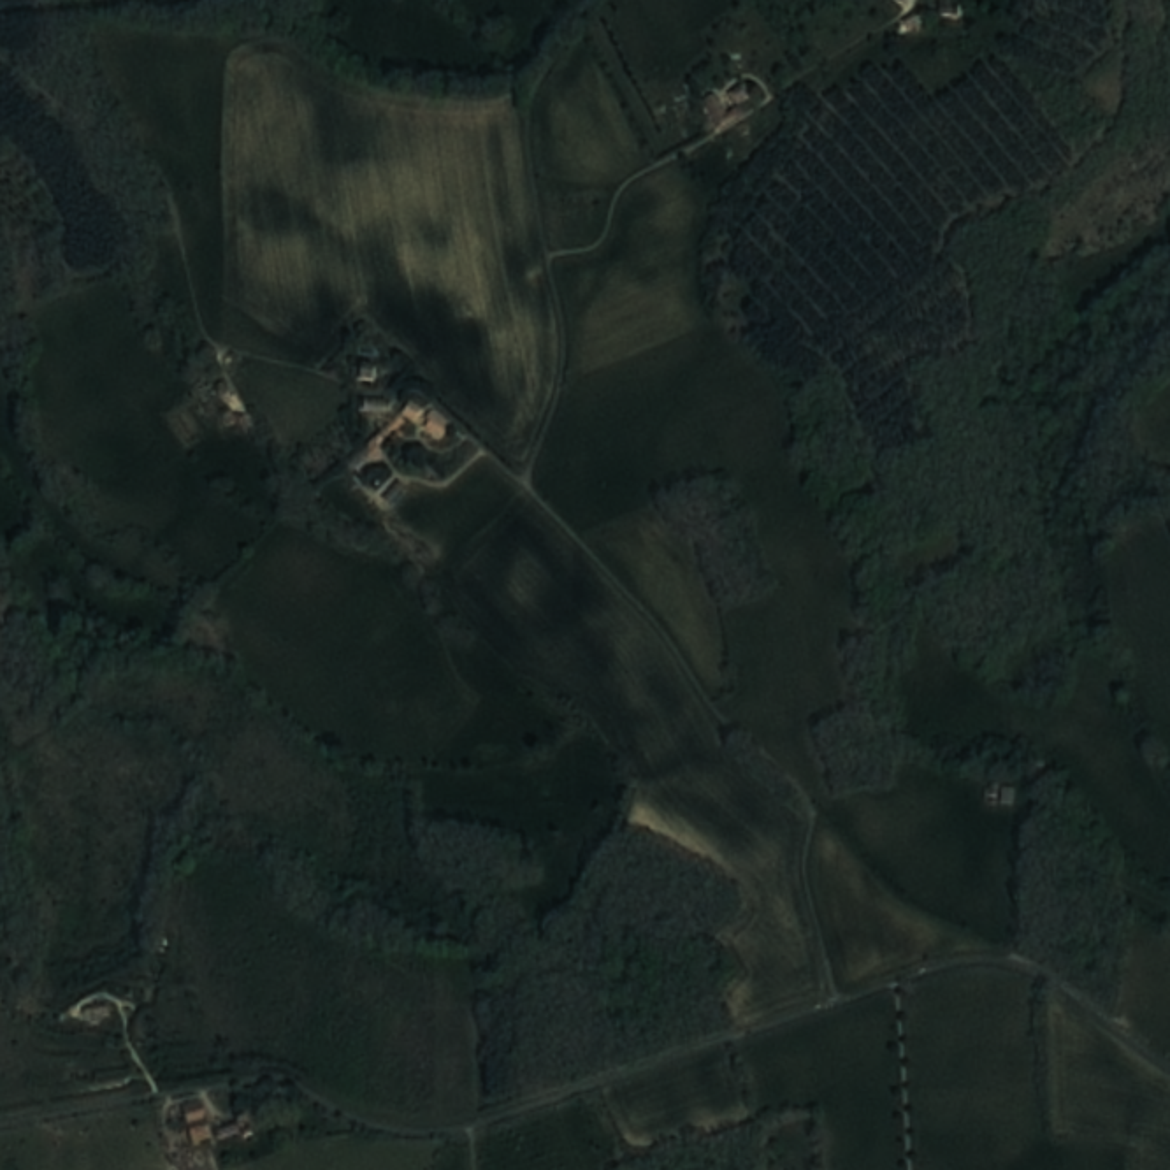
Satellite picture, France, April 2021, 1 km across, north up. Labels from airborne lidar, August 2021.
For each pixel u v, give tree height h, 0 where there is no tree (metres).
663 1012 23
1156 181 14
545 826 0
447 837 19
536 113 0
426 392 13
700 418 0
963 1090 0
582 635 0
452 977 0
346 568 0
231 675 15
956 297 10
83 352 0
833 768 19
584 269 0
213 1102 0
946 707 0
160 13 14
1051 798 21
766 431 0
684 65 0
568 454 0
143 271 14
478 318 0
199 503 0
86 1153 0
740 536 16
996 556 23
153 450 0
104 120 15
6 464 11
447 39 0
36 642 20
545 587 0
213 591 15
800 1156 0
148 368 0
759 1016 0
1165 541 0
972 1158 0
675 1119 0
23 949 19
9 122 17
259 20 21
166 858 13
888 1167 0
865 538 20
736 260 16
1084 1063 0
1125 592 0
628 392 0
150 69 0
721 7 0
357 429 8
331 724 0
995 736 7
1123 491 7
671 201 0
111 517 0
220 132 0
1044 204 13
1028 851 17
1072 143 11
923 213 11
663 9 0
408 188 0
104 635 19
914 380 17
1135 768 0
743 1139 16
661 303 0
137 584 10
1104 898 23
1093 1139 0
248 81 0
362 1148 0
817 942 0
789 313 14
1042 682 15
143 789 0
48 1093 0
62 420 0
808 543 0
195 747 7
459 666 0
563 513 0
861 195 13
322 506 10
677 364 0
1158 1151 0
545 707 0
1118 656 23
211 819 10
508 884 17
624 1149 8
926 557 0
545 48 19
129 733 7
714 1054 0
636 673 0
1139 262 16
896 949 0
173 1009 0
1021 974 0
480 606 0
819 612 0
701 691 0
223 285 0
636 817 0
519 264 0
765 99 12
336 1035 6
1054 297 29
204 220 0
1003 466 21
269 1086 13
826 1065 0
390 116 0
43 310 0
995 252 28
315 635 0
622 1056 16
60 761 0
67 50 12
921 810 0
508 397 0
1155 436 0
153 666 24
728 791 0
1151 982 0
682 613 0
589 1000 22
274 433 7
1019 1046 0
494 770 0
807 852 0
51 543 8
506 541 0
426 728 0
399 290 0
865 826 0
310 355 0
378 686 0
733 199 12
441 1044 0
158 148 0
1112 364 25
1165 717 0
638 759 0
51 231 14
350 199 0
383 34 0
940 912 0
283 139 0
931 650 0
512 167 0
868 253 17
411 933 21
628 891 18
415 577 14
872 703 15
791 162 11
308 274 0
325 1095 0
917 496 20
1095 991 16
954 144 10
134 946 6
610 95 0
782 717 0
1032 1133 0
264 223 0
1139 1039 0
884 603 16
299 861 10
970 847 0
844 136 15
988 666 24
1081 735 0
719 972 16
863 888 0
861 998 0
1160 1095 0
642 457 0
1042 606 23
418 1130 0
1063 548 16
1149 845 0
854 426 21
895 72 10
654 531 0
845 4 13
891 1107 0
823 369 17
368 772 14
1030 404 24
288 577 0
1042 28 10
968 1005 0
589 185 0
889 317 11
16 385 17
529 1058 19
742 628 0
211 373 13
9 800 11
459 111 0
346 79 12
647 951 24
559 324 0
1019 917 14
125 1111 0
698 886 19
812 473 11
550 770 0
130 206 19
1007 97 11
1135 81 15
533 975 16
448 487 0
